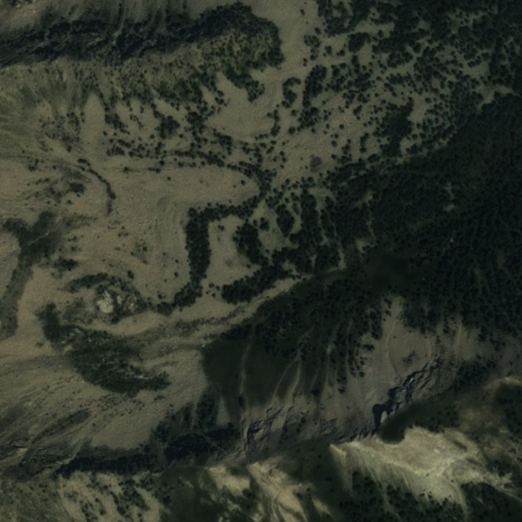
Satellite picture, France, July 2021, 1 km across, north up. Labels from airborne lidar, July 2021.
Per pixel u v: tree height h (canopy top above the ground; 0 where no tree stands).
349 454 0
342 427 0
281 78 0
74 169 0
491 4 9
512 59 16
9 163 0
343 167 11
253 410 0
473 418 0
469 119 21
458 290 8
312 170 0
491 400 0
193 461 0
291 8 0
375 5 12
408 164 13
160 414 0
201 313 0
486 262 19
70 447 0
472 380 16
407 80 12
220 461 0
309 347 7
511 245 12
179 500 0
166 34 0
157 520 0
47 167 0
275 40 7
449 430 0
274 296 0
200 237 8
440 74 13
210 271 0
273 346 11
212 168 0
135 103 0
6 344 0
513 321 12
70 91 0
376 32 0
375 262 0
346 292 8
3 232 0
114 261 0
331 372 0
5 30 0
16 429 0
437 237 8
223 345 0
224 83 0
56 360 0
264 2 0
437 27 11
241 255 0
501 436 0
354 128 0
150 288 0
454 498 0
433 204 14
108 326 0
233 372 0
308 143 0
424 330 14
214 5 0
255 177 0
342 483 0
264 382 0
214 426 7
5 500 0
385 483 0
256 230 13
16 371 0
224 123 0
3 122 0
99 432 0
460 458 0
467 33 12
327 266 7
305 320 0
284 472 0
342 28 9
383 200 15
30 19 0
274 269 12
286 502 0
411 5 15
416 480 0
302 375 0
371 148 0
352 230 14
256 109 0
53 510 0
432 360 0
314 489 0
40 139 0
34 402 0
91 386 0
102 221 0
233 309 0
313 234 12
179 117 0
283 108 0
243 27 7
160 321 0
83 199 0
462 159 15
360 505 10
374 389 0
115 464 10
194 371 0
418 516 12
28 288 0
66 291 0
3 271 0
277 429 0
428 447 0
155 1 0
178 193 0
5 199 0
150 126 0
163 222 0
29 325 0
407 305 9
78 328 7
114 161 0
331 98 0
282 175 0
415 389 0
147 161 0
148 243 0
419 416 0
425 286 8
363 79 8
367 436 0
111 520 0
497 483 0
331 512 0
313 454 0
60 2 0
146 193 0
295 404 0
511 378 0
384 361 0
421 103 0
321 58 0
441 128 13
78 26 7
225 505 0
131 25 9
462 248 15
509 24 9
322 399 0
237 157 0
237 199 0
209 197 0
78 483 0
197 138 12
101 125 0
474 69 0
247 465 0
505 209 14
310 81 7
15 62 0
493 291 13
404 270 0
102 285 8
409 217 16
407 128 15
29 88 0
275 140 9
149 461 12
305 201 10
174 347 0
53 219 0
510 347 0
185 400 0
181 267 0
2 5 0
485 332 13
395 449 0
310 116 11
